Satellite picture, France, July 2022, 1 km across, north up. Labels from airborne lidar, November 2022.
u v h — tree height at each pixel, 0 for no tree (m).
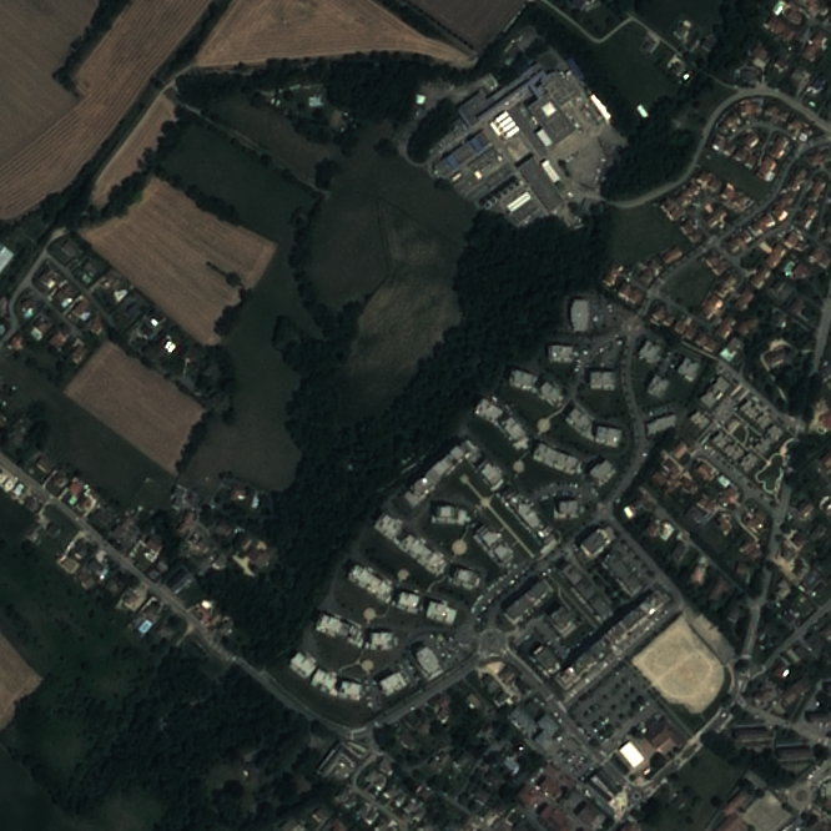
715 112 0
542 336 20
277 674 0
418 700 0
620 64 0
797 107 0
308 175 0
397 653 0
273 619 24
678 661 0
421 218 0
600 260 23
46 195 0
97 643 0
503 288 25
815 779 0
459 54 0
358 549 0
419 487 0
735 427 0
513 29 8
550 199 0
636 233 0
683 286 0
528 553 0
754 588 13
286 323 11
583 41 10
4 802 0
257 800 7
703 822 0
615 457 0
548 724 0
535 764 6
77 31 0
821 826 0
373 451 20
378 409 0
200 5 0
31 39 0
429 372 19
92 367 0
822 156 0
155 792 8
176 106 0
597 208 17
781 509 0
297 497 22
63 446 0
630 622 0
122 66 0
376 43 0
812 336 6
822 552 12
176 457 0
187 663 16
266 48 0
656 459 6
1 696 0
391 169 0
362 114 23
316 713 0
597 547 0
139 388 0
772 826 0
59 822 0
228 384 21
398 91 22
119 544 12
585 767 0
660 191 0
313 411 26
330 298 0
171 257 0
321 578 19
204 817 24
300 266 19
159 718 17
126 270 0
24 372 0
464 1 0
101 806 11
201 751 26
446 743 0
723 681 0
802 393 19
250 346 0
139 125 0
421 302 0
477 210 0
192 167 0
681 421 0
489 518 0
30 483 0
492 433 0
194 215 0
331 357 25
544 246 24
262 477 0
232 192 0
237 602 16
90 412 0
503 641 0
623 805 0
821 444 6
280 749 20
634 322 0
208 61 0
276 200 0
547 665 0
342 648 0
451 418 8
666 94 0
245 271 0
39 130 0
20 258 6
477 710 7
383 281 0
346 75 26
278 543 23
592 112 0
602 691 0
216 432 0
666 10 0
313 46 0
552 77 0
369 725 0
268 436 0
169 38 0
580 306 0
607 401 0
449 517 0
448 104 9
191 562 9
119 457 0
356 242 0
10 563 0
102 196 0
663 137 21
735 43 21
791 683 6
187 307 0
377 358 0
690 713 0
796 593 9
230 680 20
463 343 18
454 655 0
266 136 0
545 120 0
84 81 0
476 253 23
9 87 0
